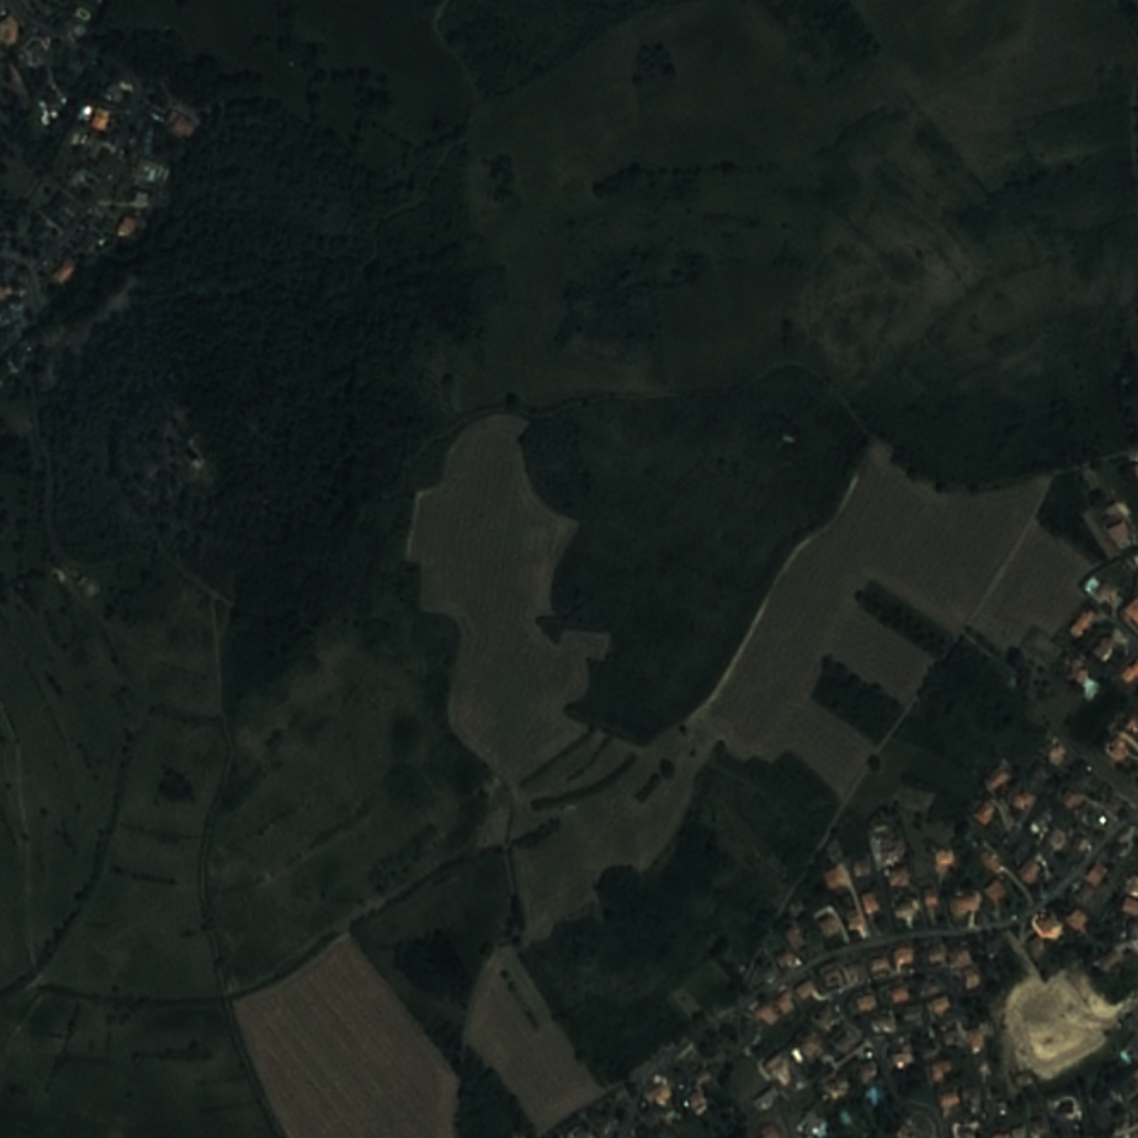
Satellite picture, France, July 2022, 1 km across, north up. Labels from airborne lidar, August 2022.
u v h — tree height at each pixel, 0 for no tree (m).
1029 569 0
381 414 12
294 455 15
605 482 0
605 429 0
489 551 0
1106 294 0
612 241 0
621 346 0
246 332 13
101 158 11
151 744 0
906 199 0
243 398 11
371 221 8
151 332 7
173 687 0
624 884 9
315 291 9
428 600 0
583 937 7
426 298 6
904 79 0
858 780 0
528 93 0
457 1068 13
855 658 0
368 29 0
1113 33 0
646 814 0
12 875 0
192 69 7
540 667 0
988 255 0
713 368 0
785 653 0
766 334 0
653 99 0
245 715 0
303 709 0
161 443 13
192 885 0
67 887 0
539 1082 0
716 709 0
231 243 9
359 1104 0
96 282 16
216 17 0
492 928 0
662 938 7
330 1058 0
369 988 0
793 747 0
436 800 0
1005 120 0
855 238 0
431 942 7
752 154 0
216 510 9
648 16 0
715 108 0
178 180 7
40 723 0
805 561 0
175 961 0
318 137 13
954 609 0
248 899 0
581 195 0
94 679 0
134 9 0
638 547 0
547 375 0
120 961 0
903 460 12
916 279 0
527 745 0
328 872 0
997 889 0
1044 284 0
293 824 0
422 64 0
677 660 0
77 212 0
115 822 0
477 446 0
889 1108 10
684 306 0
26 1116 0
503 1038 0
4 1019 0
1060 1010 0
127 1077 0
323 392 18
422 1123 0
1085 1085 11
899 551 0
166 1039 0
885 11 0
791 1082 0
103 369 13
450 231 6
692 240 0
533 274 0
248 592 9
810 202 0
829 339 0
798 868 9
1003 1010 0
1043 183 7
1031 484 0
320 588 14
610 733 6
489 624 0
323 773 0
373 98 17
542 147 0
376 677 0
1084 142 0
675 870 7
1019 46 0
